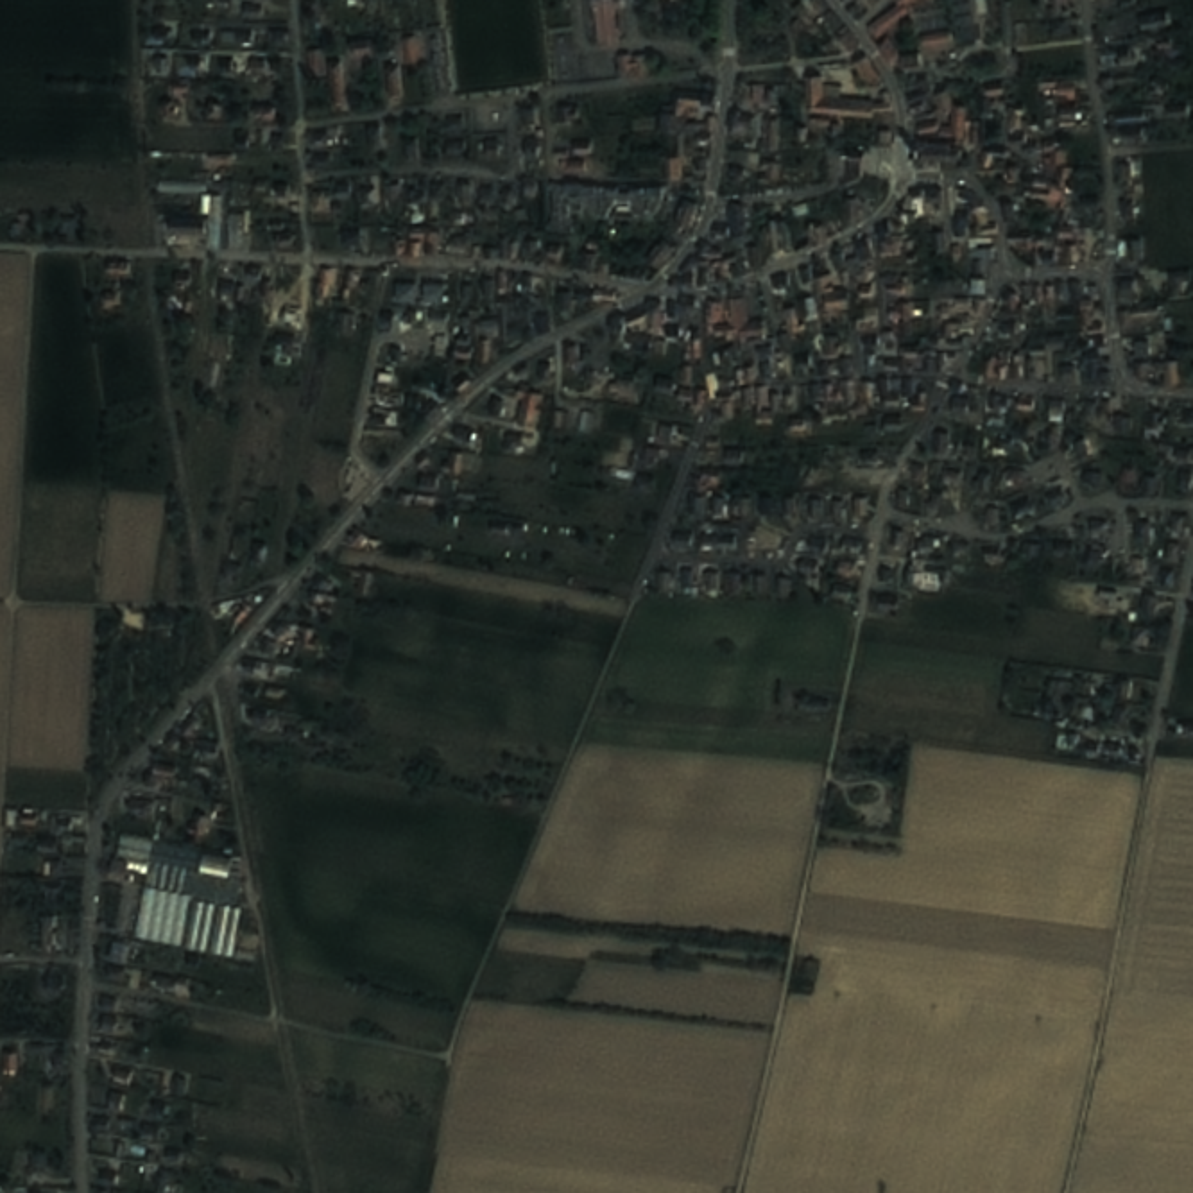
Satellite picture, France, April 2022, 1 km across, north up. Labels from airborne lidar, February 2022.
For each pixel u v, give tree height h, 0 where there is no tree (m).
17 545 0
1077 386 0
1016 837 0
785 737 0
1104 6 0
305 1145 0
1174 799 0
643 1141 0
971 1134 0
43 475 0
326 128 0
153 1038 0
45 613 0
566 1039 0
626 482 0
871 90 0
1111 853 0
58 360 0
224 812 6
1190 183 0
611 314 0
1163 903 0
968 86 7
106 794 0
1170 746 0
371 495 0
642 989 0
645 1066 0
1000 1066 0
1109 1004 0
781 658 0
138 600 0
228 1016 0
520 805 12
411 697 0
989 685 0
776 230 0
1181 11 0
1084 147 0
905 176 0
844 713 0
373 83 11
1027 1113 0
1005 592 0
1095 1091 0
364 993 7
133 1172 0
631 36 0
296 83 0
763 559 0
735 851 0
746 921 0
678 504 0
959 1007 0
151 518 0
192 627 13
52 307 0
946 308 0
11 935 0
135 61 0
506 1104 0
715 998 0
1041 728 0
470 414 0
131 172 0
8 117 0
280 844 0
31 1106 0
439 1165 0
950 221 0
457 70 0
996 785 0
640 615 0
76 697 0
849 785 0
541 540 0
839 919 0
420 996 6
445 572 0
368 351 0
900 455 0
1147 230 0
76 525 0
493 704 0
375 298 0
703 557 0
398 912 0
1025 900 0
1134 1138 0
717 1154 0
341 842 0
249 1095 0
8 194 0
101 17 0
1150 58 9
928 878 0
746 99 0
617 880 0
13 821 0
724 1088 0
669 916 0
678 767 0
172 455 0
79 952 0
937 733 0
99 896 0
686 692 0
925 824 0
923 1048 0
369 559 0
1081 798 0
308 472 0
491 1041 0
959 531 0
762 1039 0
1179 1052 0
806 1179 0
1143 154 0
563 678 0
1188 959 0
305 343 0
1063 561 0
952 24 10
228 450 0
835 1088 0
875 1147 0
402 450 0
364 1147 0
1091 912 0
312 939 0
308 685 0
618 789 0
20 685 0
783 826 0
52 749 0
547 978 0
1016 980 0
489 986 0
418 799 9
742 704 0
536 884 0
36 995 0
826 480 0
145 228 0
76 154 0
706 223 0
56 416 0
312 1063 0
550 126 0
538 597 0
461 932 0
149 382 0
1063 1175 0
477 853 0
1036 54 0
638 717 0
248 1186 0
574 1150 0
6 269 0
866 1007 0
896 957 0
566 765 0
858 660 0
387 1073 0
